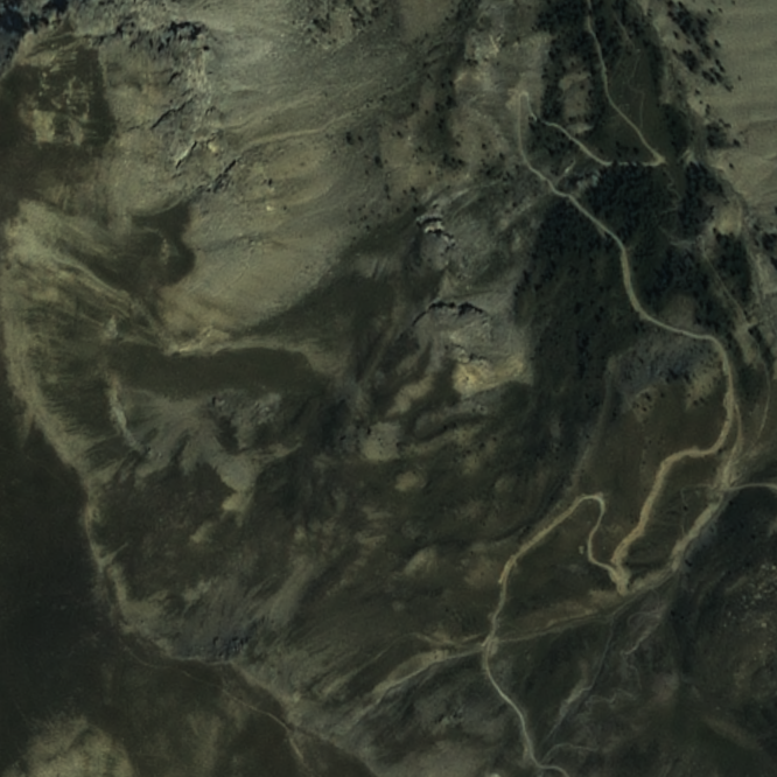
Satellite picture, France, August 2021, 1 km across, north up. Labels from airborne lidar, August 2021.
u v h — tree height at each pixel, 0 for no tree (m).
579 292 0
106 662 0
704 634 0
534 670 0
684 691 0
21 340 0
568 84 0
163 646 0
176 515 0
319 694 0
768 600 0
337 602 0
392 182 0
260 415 0
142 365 0
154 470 0
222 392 0
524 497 0
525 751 0
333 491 0
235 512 0
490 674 0
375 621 0
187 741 0
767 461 0
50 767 0
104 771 0
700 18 0
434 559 0
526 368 0
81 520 0
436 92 0
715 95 0
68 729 0
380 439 0
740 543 0
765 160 0
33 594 0
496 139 0
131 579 0
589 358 7
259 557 0
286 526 0
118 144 0
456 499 0
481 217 0
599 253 9
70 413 0
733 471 0
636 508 0
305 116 0
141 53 0
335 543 0
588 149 0
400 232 0
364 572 0
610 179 11
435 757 0
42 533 0
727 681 0
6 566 0
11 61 0
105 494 0
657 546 0
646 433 0
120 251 0
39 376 0
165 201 0
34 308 0
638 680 0
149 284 0
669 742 0
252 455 0
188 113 0
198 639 0
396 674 0
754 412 0
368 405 0
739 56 0
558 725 0
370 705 0
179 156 0
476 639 0
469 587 0
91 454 0
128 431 0
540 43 0
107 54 0
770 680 0
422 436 0
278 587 0
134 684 0
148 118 0
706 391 0
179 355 0
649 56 0
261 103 0
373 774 0
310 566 0
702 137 0
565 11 9
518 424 0
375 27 0
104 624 0
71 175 0
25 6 0
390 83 0
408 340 0
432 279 0
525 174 0
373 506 0
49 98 0
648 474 0
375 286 0
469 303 0
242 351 0
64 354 0
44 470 0
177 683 0
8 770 0
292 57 0
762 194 0
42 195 0
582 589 0
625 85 0
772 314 0
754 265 0
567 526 0
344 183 0
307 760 0
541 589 0
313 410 0
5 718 0
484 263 0
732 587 0
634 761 0
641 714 0
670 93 0
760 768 0
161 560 0
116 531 0
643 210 12
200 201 0
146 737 0
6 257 0
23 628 0
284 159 0
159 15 0
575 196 0
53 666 0
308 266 0
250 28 0
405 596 0
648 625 0
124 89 0
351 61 0
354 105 0
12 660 0
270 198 0
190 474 0
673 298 0
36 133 0
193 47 0
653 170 6
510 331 0
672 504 0
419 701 0
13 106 0
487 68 0
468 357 0
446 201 0
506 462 0
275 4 0
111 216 0
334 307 0
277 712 0
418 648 0
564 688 0
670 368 0
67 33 0
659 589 0
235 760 0
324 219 0
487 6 0
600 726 0
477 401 0
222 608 0
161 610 0
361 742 0
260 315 0
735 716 0
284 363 0
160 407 0
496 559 0
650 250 9
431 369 0
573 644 0
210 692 0
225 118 0
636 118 0
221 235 0
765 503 0
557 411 0
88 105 0
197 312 0
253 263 0
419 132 0
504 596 0
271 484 0
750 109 0
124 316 0
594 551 0
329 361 0
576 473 0
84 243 0
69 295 0
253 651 0
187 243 0
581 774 0
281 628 0
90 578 0
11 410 0
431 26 0
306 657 0
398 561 0
